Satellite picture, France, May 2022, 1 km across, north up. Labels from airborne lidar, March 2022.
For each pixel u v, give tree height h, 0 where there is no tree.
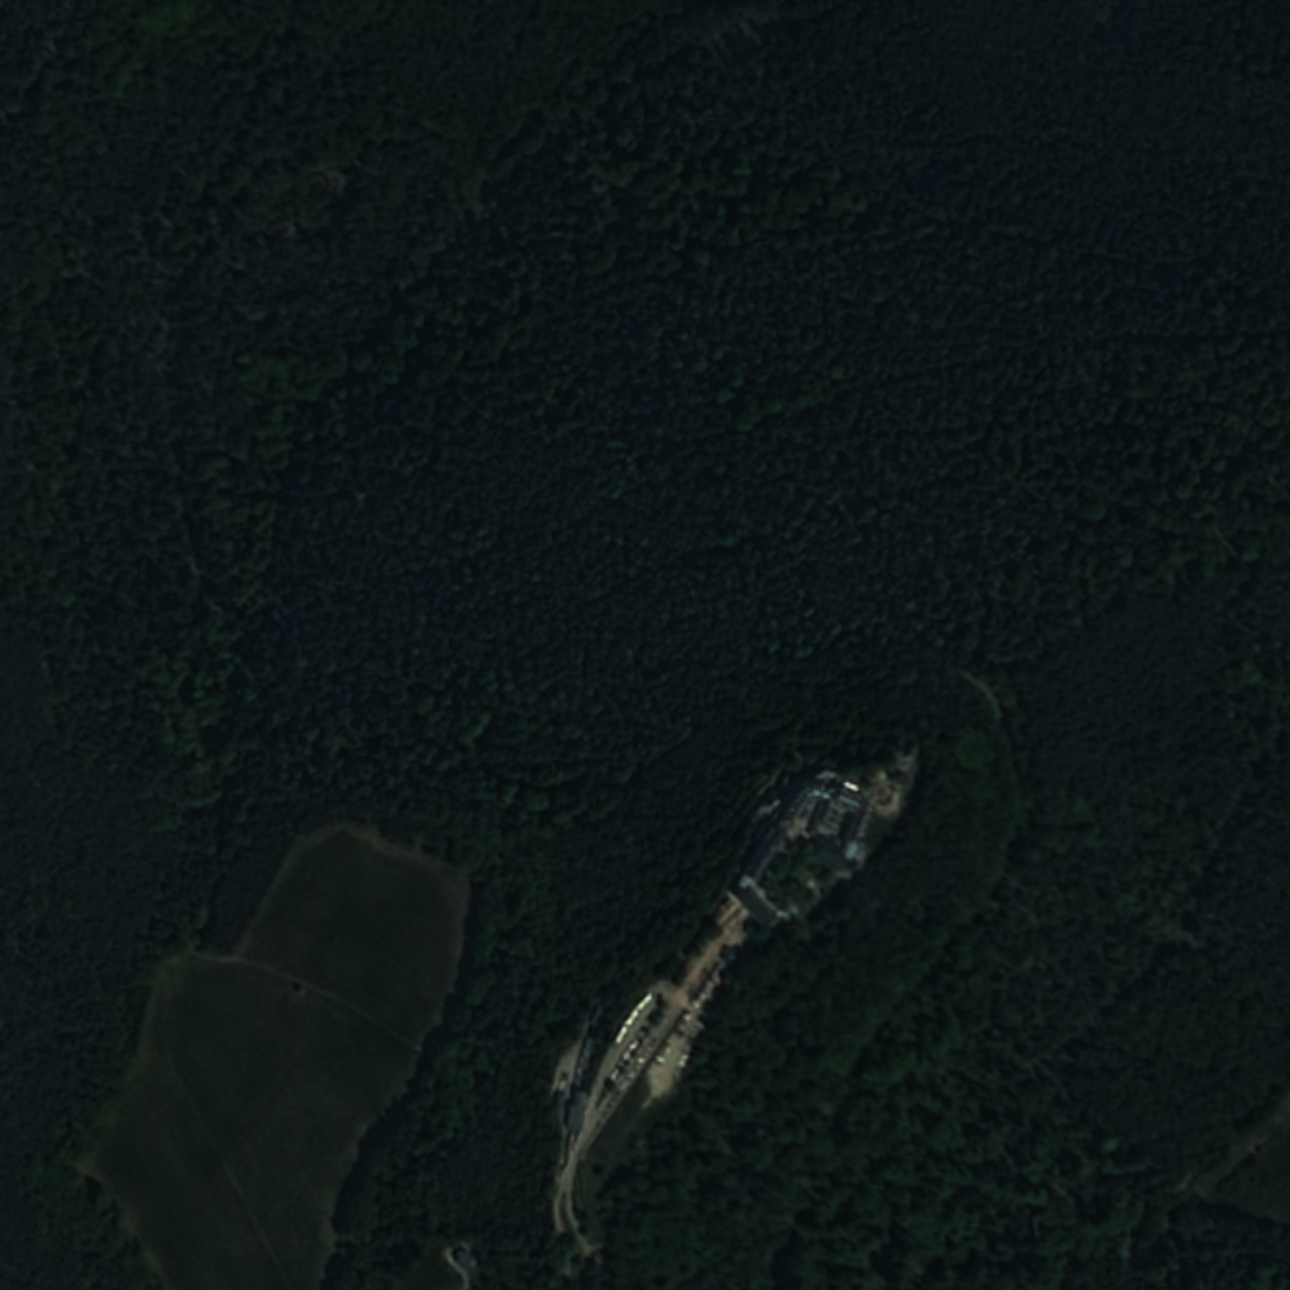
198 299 42
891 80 18
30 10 20
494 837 20
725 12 29
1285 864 25
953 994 36
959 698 21
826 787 0
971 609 28
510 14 18
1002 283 25
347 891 0
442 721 34
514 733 31
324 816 17
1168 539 23
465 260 30
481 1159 22
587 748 30
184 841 26
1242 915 24
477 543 24
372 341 36
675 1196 26
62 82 18
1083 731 21
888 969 22
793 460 24
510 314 28
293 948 0
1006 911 30
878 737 9
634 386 8
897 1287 38
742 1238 13
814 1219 36
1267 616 30
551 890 23
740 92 28
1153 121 22
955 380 22
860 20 25
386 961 0
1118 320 26
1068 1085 31
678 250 9
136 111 26
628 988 16
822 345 27
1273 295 24
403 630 22
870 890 24
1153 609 22
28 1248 19
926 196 22
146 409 28
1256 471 33
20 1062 16
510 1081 17
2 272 16
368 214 22
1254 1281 28
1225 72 25
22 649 12
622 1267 24
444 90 18
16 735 13
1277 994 23
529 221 25
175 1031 0
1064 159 22
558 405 30
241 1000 0
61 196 21
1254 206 26
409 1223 10
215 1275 0
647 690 23
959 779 25
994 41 20
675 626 21
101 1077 22
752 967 33
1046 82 19
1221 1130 18
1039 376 28
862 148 28
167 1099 0
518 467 22
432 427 26
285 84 25
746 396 27
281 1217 0
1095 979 24
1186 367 25
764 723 23
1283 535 32
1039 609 19
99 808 13
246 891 19
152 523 22
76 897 15
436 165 19
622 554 17
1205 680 27
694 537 25
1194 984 29
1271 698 28
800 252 18
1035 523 23
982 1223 37
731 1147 31
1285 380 25
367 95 21
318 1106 0
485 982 21
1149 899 30
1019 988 29
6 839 14
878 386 24
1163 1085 21
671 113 33
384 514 23
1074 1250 34
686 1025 0
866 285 25
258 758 25
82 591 25
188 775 25
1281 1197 0
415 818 14
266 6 18
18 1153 12
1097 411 28
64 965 16
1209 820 21
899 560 23
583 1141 0
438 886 0
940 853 19
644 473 23
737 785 21
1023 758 24
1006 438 27
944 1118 10
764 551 23
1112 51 24
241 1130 0
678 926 24
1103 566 25
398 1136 23
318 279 19
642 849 25
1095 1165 35
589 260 29
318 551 24
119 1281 15
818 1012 24
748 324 26
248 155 21
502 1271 21
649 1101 0
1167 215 27
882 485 26
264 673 26
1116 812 22
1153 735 26
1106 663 22
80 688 29
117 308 28
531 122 34
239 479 37
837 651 23
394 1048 0
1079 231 24
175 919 26
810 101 19
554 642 22
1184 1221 31
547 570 19
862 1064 39
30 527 26
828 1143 34
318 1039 0
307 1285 0
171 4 31
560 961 24
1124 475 23
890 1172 41
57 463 29
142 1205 0
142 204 28
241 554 30
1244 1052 22
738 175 31
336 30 23
